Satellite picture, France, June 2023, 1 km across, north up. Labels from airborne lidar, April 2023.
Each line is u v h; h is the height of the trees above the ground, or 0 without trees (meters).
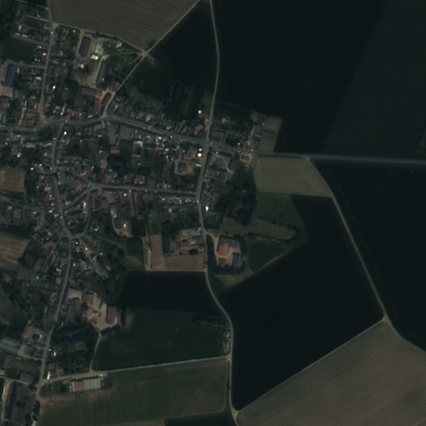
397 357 0
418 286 0
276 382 0
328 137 0
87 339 0
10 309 0
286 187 0
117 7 0
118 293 0
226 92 0
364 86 0
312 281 0
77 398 0
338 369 0
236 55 0
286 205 0
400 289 0
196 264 0
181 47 0
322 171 0
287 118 0
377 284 0
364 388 0
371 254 0
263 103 0
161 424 0
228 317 0
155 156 0
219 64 0
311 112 0
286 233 0
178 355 0
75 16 0
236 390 0
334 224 0
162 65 0
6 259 0
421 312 0
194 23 0
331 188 0
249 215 18
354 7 0
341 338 0
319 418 0
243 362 0
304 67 0
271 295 0
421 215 0
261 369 0
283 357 0
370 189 0
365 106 0
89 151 0
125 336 0
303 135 0
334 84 0
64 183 0
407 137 0
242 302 0
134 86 0
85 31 0
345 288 0
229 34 0
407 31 0
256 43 0
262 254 0
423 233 0
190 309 0
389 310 0
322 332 0
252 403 0
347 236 0
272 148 0
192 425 0
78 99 0
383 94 0
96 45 0
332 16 0
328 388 0
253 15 0
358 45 0
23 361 0
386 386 0
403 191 0
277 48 0
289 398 0
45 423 0
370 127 0
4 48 0
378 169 0
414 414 0
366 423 0
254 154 0
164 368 0
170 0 0
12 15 9
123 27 0
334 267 0
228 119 0
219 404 0
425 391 0
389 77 0
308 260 0
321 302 0
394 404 0
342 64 0
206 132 0
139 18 0
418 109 0
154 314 0
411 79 0
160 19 0
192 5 0
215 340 0
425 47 0
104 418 0
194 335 0
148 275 0
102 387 0
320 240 0
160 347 0
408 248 0
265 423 0
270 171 0
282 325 0
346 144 0
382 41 0
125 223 0
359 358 0
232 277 0
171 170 6
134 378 0
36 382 7
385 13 0
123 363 0
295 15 0
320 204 0
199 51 0
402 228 0
